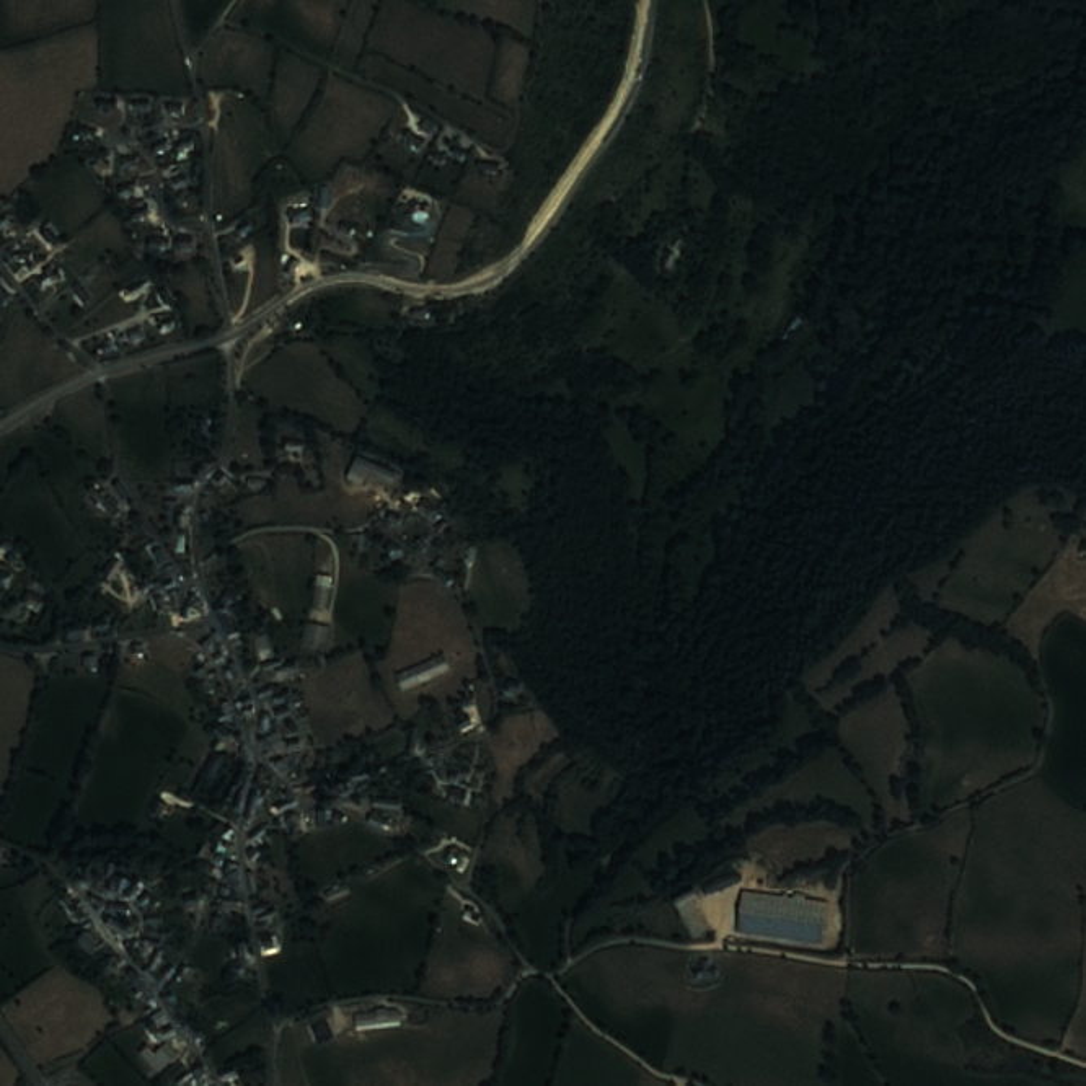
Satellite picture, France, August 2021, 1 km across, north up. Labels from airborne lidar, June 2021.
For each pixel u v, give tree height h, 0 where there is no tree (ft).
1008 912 0
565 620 46
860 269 68
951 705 0
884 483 43
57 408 0
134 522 34
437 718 25
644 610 56
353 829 0
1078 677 0
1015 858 0
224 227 27
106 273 0
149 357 0
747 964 0
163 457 0
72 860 42
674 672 53
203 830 48
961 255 41
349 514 0
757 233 38
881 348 30
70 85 0
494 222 23
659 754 41
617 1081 0
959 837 0
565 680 50
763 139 34
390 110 0
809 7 71
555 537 40
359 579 0
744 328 43
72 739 0
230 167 0
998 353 66
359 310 0
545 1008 0
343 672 0
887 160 35
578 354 34
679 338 0
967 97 31
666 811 49
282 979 0
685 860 51
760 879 0
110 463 24
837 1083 39
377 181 0
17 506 0
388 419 0
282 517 0
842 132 36
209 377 0
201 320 0
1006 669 0
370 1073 0
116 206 31
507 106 20
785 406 0
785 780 32
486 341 30
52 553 0
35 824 0
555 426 49
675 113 0
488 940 0
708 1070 0
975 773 0
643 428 61
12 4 0
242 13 0
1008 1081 0
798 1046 0
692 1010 0
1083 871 0
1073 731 0
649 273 76
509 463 28
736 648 30
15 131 0
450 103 0
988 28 43
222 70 0
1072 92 49
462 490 18
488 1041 0
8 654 0
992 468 31
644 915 0
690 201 27
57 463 0
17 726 0
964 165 50
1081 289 0
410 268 0
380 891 0
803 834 0
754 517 42
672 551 48
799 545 25
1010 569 0
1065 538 24
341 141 0
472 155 31
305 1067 0
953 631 38
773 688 19
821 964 0
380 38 0
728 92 51
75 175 0
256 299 0
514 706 27
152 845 18
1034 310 58
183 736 0
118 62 0
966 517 34
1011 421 45
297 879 24
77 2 0
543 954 0
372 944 0
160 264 19
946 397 43
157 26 0
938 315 30
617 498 50
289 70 0
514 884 0
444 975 0
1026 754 0
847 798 0
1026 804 0
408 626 0
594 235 28
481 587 0
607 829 78
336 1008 0
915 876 0
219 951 0
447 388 60
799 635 25
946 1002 0
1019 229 22
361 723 0
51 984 0
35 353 0
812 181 36
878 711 0
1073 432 54
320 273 0
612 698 68
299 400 0
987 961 0
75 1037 0
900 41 74
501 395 73
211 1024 0
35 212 20
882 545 32
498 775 22
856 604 33
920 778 35
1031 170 37
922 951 0
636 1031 0
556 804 45
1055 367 57
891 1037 0
